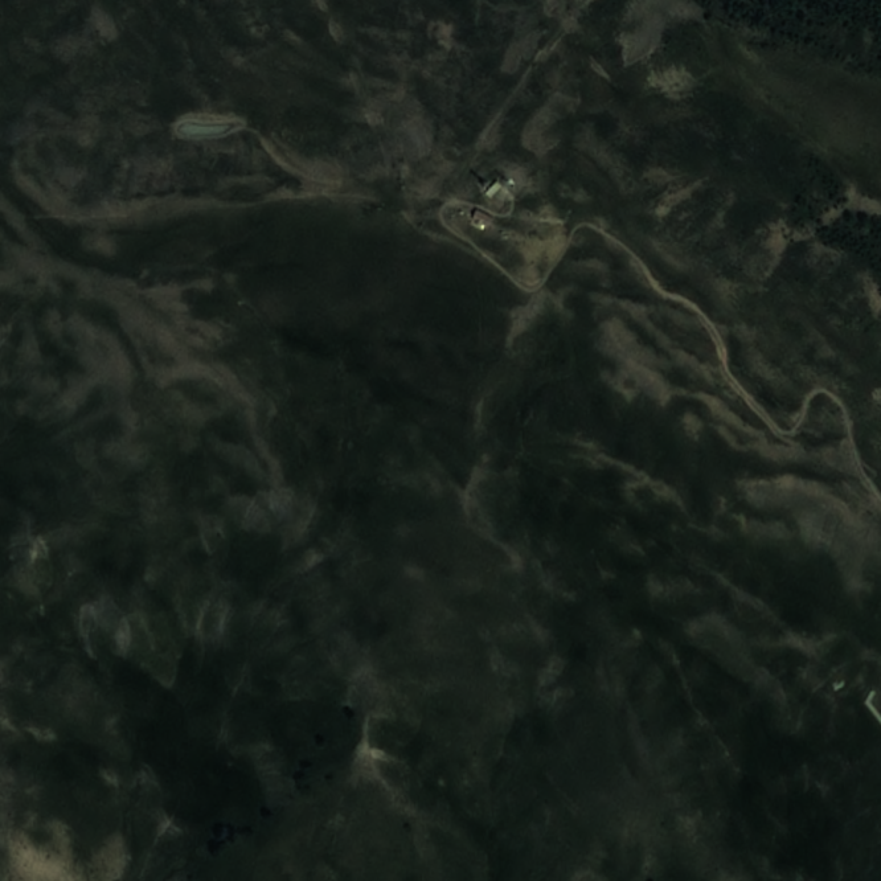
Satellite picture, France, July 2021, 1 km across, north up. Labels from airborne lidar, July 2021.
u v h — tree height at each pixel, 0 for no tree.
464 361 0
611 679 0
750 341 0
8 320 0
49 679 0
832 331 0
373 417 0
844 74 0
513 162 0
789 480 0
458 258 0
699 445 0
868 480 0
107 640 0
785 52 0
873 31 9
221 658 0
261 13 0
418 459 0
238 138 0
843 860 0
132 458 0
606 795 0
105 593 0
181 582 0
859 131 0
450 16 0
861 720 0
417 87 0
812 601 0
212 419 0
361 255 0
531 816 0
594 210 0
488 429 0
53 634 0
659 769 0
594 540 0
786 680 0
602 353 0
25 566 0
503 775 0
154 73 0
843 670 0
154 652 0
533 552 0
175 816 0
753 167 0
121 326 0
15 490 0
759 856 0
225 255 0
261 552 0
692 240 0
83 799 0
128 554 0
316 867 0
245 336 0
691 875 0
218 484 0
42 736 0
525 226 0
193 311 0
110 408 0
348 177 0
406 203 0
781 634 0
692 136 0
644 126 0
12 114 0
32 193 0
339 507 0
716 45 0
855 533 0
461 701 0
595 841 0
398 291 0
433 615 0
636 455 0
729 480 0
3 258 0
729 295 0
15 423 0
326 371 0
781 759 0
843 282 0
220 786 0
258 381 0
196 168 0
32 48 0
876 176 0
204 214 0
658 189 0
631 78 0
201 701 0
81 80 0
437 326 0
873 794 0
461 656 0
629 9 0
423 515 0
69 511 0
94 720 0
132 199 0
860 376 0
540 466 0
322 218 0
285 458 0
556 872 0
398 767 0
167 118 0
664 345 0
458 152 0
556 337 0
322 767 0
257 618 0
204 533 0
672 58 0
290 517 0
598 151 0
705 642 0
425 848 0
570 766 0
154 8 0
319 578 0
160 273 0
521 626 0
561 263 0
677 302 0
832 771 0
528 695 0
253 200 0
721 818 0
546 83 0
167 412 0
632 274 0
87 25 0
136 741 0
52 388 0
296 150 0
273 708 0
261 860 0
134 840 0
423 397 0
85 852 0
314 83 0
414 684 0
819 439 0
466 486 0
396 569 0
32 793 0
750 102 0
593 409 0
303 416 0
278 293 0
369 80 0
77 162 0
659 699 0
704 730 0
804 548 0
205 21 0
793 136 0
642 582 0
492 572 0
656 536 0
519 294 0
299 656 0
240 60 0
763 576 0
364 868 0
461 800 0
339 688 0
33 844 0
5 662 0
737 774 0
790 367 0
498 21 0
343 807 0
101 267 0
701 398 0
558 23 0
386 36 0
